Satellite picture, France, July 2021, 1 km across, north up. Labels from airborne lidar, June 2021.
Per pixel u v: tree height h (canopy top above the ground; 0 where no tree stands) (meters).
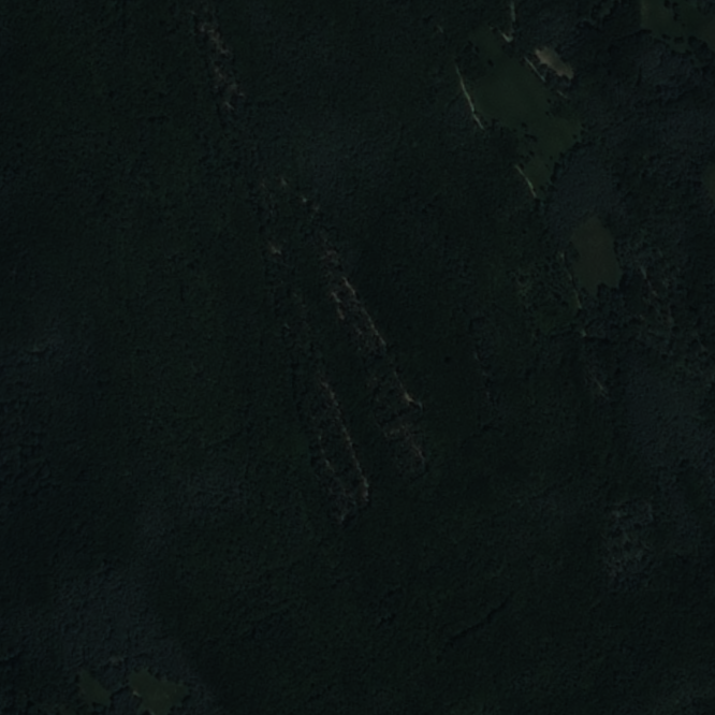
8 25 22
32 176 20
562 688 15
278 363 14
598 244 0
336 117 20
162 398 13
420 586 24
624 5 16
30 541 26
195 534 27
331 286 24
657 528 21
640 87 19
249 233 17
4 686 25
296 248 24
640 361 22
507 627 21
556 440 17
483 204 18
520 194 19
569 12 17
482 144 16
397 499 19
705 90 22
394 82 13
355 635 20
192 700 12
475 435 17
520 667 17
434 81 13
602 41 20
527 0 17
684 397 13
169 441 22
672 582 23
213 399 14
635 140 27
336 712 23
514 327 12
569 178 18
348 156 16
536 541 19
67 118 21
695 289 25
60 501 25
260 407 14
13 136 14
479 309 19
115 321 22
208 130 10
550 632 19
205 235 17
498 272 9
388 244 27
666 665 22
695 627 23
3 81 23
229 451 23
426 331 22
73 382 23
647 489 20
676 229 17
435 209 23
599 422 15
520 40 17
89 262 27
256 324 14
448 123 16
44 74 28
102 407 26
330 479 24
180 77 18
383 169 19
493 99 0
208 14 25
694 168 14
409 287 31
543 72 13
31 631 18
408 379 22
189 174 12
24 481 22
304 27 23
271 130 23
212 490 17
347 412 25
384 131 21
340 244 20
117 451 26
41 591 23
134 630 14
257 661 21
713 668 19
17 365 23
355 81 22
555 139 0
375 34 20
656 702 16
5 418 20
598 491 23
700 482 23
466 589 12
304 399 28
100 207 27
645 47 21
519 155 11
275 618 22
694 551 25
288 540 23
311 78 24
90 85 26
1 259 25
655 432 22
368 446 22
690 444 15
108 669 15
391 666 21
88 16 22
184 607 23
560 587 15
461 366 12
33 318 19
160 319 12
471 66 14
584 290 13
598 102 18
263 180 24
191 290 19
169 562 25
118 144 15
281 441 18
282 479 26
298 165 19
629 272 19
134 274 18
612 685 21
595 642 15
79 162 21
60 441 24
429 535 20
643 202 22
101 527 25
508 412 19
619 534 22
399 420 26
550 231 20
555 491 17
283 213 21
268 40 19
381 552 20
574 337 20
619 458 15
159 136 24
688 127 18
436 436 12
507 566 9
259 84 28
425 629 21
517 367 15
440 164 13
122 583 13
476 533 22
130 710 15
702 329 21
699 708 22
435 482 16
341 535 15
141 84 18
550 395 16
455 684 18
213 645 23
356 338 24
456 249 25
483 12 20
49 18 27
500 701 18
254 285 16
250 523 22
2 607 24
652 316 20
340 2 14
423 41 19
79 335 17
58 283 20
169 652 14
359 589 20
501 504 18
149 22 15
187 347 10
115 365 19
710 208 21
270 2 22
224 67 25
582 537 22
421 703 22
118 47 15
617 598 22
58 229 22
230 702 18
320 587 22
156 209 18
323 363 26
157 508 21
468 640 21
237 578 17
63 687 22
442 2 20
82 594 14
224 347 14
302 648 23
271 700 20
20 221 20
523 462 18
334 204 22
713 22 0
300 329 27
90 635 17
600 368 19
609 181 17
